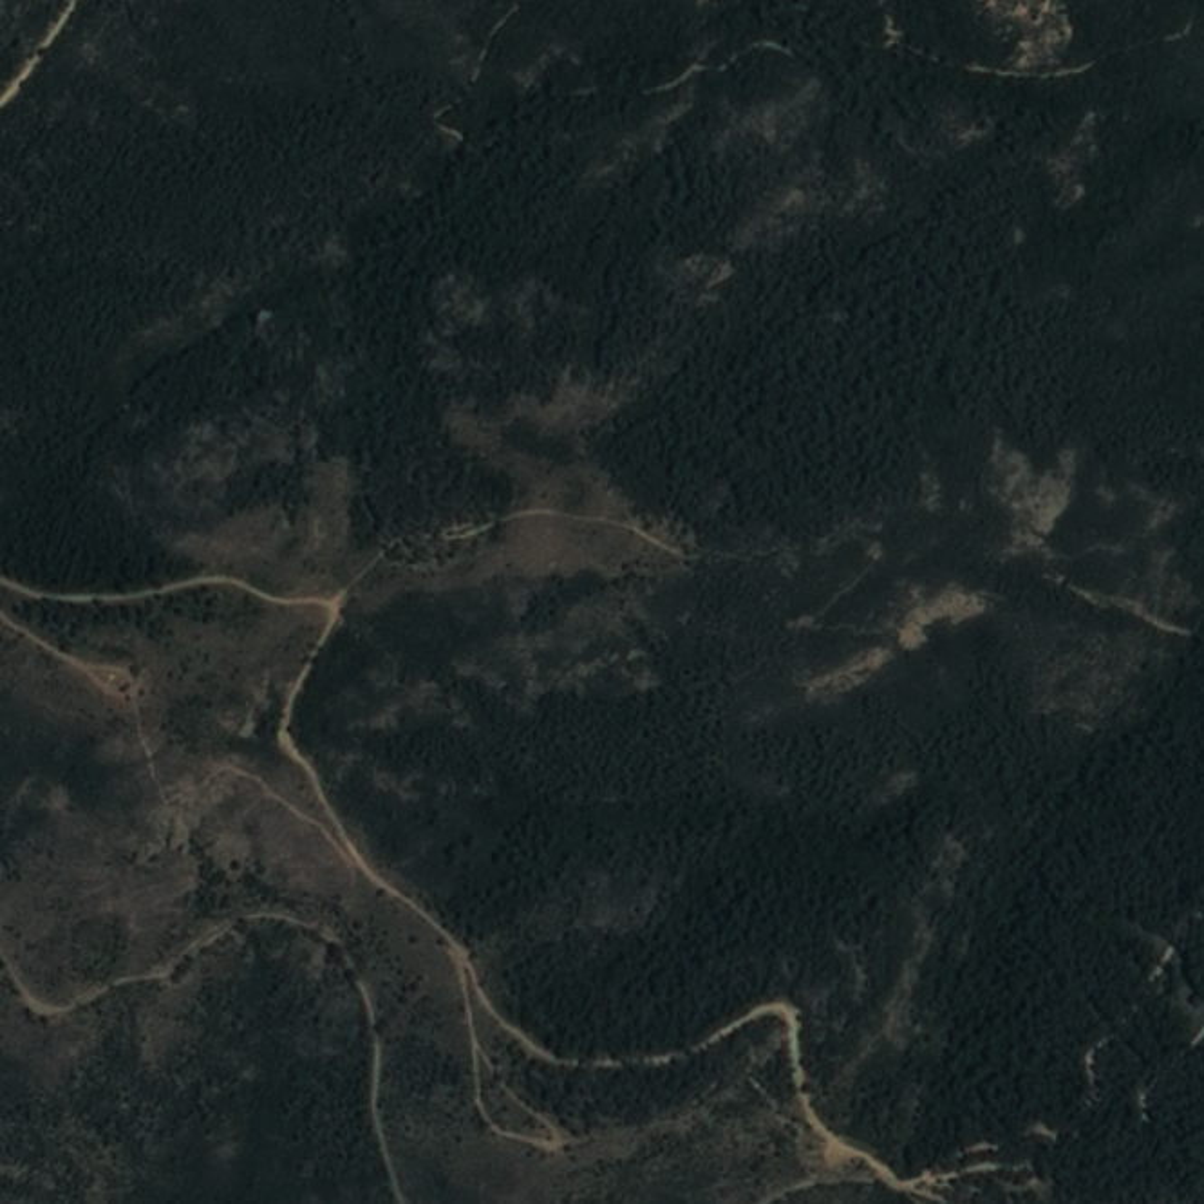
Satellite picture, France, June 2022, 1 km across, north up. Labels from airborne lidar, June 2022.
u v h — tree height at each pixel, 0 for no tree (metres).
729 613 8
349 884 0
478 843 16
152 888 0
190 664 8
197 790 0
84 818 0
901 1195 6
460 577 0
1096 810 16
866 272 19
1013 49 6
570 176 16
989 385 17
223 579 0
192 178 18
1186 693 6
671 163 10
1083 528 6
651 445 17
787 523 13
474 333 13
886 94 6
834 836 10
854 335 23
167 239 15
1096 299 15
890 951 7
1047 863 19
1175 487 12
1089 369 15
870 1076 9
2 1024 0
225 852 0
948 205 19
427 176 7
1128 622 6
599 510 0
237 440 6
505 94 8
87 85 8
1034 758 16
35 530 11
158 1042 0
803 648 10
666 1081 15
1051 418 19
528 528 0
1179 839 16
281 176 14
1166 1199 9
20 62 9
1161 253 8
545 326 9
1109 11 8
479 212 7
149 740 0
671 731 19
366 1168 7
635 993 18
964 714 13
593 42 7
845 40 8
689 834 7
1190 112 8
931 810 20
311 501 6
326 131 16
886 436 12
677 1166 6
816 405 17
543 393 10
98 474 10
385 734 15
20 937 6
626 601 9
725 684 14
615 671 6
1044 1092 19
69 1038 0
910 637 0
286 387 9
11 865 9
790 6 14
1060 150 8
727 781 7
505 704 10
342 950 13
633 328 17
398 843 7
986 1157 13
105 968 6
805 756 20
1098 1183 14
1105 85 10
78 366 13
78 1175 7
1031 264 7
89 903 0
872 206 6
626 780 18
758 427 19
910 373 21
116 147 12
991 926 13
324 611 0
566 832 5
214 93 7
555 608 10
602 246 17
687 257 11
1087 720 6
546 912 8
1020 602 11
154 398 14
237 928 9
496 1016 0
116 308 16
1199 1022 0
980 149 6
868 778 6
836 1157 0
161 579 13
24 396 13
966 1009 20
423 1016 6
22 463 8
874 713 15
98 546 13
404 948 0
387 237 19
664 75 8
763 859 16
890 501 10
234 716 0
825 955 11
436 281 17
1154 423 13
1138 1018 18
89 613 15
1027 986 20
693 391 16
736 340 7
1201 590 9
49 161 11
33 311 16
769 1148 8
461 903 10
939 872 9
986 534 7
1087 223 12
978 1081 21
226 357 7
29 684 0
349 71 9
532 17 6
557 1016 14
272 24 6
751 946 11
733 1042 10
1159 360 7
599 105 11
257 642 0
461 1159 0
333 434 10
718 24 7
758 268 14
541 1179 0
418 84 14
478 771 14
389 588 0
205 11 7
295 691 0
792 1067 9
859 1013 10
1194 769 16
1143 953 18
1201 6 8
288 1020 7
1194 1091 19
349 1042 8
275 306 11
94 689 0
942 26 7
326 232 14
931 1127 14
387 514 17
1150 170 7
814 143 7
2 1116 7
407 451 14
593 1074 17
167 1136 9
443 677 12
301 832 0
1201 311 6
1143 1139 21
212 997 9
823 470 16
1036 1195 10
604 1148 0
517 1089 9
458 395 8
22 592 0
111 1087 6
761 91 7
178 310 12
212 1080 10
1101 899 20
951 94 11
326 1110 10
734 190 13
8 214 11
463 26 6
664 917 14
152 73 7
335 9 9
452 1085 7
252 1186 7
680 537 9
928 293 22
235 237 14
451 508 11
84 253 10
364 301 10
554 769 16
